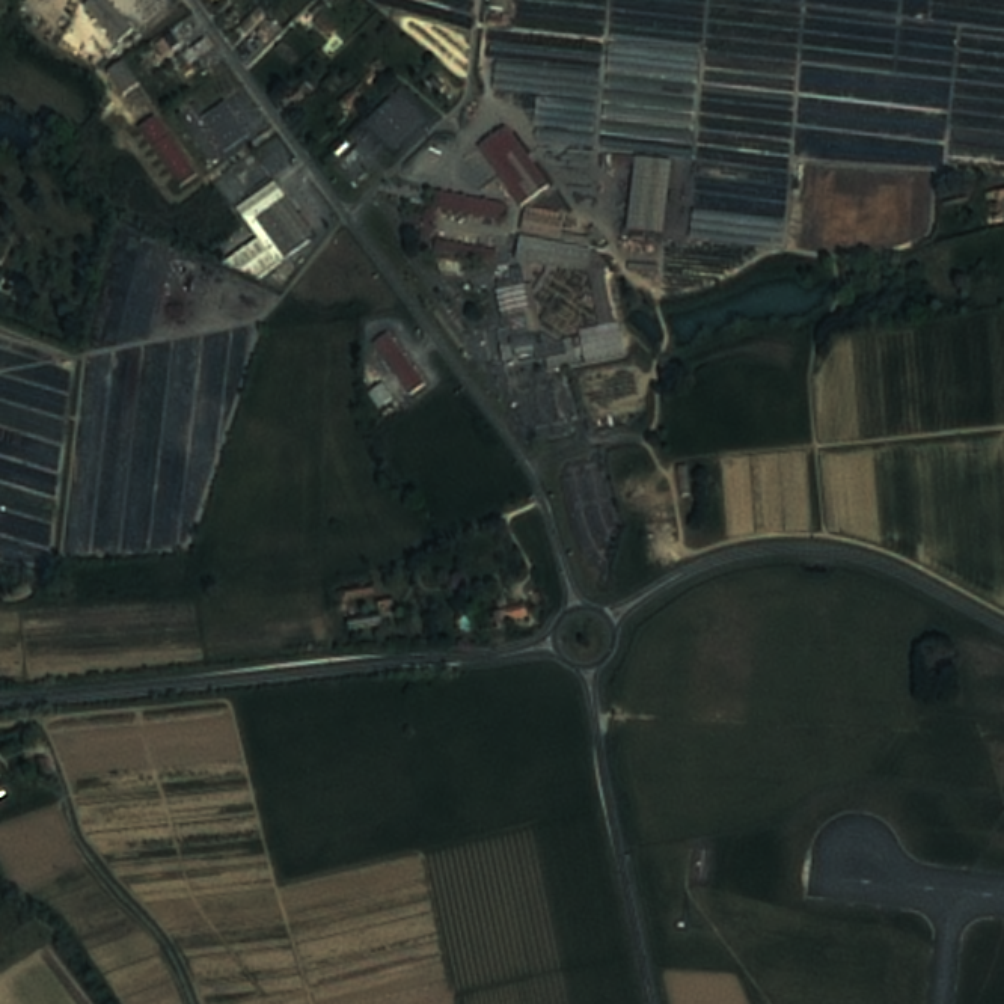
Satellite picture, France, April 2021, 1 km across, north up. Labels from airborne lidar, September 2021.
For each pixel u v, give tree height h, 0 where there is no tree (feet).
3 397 0
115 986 0
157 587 0
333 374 0
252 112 0
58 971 0
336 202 0
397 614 44
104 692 0
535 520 0
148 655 0
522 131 0
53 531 0
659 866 0
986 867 0
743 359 0
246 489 0
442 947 0
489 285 0
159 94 0
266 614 0
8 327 34
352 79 29
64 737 0
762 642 0
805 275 31
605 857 0
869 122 0
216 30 0
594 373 0
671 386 32
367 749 0
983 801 0
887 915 0
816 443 0
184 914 0
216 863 0
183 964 0
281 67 0
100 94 31
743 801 0
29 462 0
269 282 0
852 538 0
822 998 0
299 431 0
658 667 0
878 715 0
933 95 0
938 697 0
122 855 0
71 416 0
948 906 0
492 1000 0
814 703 0
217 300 0
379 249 0
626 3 0
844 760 0
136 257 0
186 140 0
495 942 0
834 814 0
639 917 0
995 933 0
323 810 0
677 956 0
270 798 0
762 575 0
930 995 0
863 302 25
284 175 0
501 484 0
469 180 0
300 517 0
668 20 0
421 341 0
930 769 0
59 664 0
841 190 0
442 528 0
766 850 0
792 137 0
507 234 0
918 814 0
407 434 0
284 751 0
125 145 0
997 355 0
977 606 0
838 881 0
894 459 0
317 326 0
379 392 0
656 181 0
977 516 0
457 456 0
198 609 0
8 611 0
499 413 0
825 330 32
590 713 0
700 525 31
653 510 0
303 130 56
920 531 0
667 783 0
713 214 0
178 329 0
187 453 0
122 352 0
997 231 0
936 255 0
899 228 0
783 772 0
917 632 0
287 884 0
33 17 0
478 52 0
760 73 0
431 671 48
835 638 0
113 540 0
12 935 0
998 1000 0
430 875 0
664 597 0
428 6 0
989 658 0
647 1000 0
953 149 0
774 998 0
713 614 0
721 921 0
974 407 0
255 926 0
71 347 32
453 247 0
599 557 0
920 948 0
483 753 0
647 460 0
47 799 0
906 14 0
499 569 34
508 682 0
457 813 0
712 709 0
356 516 0
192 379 0
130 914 0
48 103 0
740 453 0
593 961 0
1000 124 0
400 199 0
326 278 0
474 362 22
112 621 0
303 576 0
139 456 0
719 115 0
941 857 0
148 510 0
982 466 0
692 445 0
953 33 0
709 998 0
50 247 0
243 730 0
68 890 0
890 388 0
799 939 0
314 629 0
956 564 0
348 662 0
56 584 76
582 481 0
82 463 0
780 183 0
